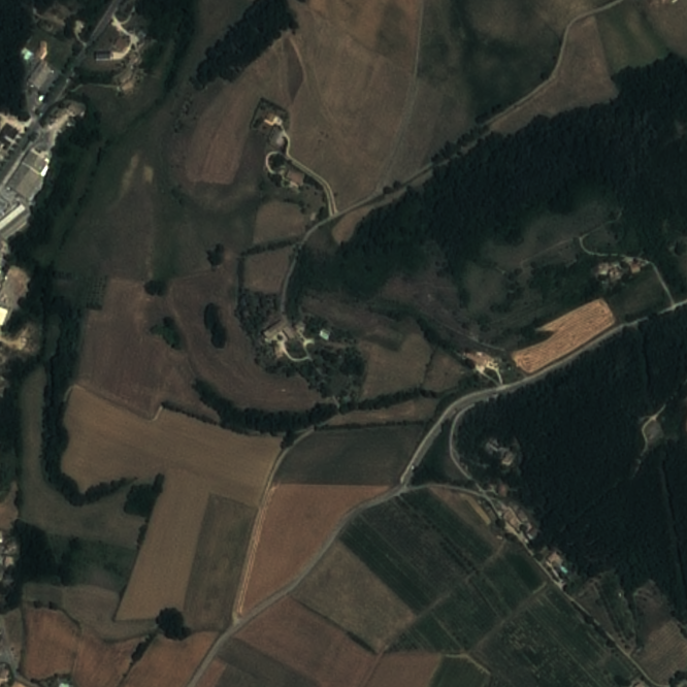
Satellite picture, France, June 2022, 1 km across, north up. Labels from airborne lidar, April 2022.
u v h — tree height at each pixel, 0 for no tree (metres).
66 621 0
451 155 8
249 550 0
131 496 7
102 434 0
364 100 0
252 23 22
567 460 14
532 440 15
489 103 0
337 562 0
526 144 13
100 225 0
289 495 0
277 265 0
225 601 0
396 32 0
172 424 0
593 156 15
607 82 0
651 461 12
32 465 0
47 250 0
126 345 0
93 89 0
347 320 0
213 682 0
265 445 0
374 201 0
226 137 0
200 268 0
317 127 0
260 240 0
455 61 0
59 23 0
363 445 0
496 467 12
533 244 0
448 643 0
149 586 0
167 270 0
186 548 0
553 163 17
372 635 0
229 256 0
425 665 0
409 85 0
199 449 0
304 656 0
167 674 0
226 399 9
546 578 0
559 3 0
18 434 12
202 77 16
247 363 0
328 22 0
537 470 10
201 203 0
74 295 0
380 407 11
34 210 11
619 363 12
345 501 0
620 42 0
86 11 9
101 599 0
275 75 0
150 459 0
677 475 16
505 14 0
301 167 0
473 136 10
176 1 21
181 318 0
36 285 17
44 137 0
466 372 0
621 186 12
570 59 0
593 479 13
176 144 0
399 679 0
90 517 0
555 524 12
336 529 0
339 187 0
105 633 0
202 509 0
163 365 0
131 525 0
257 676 0
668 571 14
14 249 16
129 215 0
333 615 0
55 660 0
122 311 0
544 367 0
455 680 0
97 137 10
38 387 0
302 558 0
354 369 6
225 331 10
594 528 14
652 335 15
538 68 0
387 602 0
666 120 12
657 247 6
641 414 8
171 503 0
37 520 0
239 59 17
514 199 16
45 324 5
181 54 9
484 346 0
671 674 0
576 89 0
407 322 0
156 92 0
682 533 9
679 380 11
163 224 0
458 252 12
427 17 0
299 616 0
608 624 0
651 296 0
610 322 0
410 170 0
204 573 0
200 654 0
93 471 0
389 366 0
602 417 10
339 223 0
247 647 0
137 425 0
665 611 0
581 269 10
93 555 0
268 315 6
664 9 0
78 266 0
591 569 14
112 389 0
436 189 9
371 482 0
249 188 0
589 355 15
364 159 0
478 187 14
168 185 0
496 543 0
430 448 0
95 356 0
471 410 6
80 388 0
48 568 10
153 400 0
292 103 0
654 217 12
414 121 0
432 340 14
